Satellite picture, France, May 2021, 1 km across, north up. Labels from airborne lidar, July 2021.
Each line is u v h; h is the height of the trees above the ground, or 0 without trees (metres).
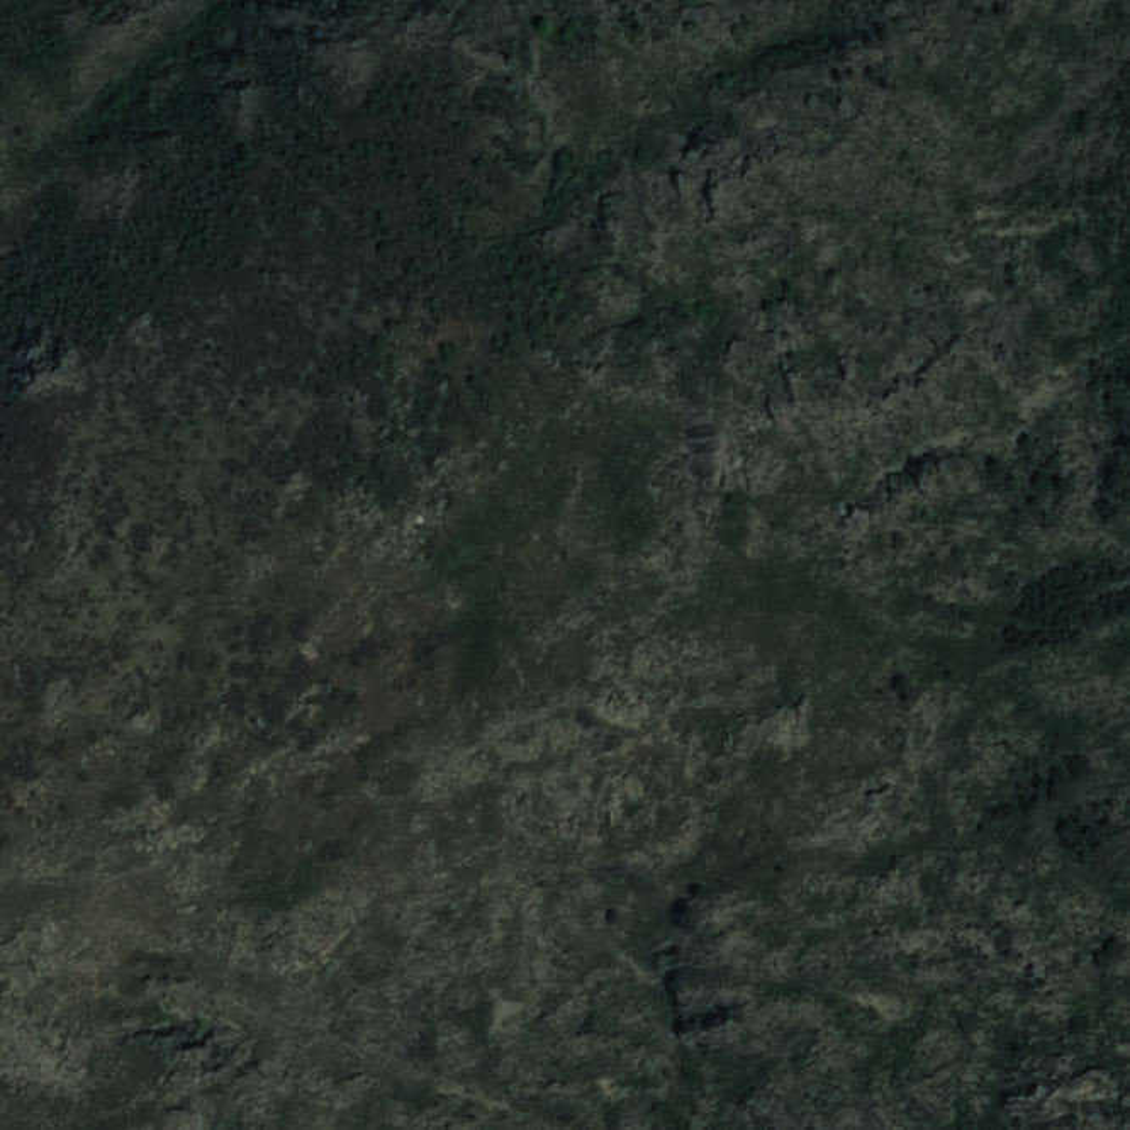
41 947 0
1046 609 21
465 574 0
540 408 0
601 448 0
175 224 9
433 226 12
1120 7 7
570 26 11
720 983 0
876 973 6
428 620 0
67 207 6
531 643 0
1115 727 6
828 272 6
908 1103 12
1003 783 0
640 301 9
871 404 9
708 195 18
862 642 0
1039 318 6
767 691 0
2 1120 0
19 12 9
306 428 7
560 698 0
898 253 8
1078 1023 8
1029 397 0
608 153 9
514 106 6
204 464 0
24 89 0
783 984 8
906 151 7
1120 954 21
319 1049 0
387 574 0
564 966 11
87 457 0
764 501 0
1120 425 8
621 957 0
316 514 0
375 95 12
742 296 11
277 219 9
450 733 0
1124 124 8
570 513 0
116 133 8
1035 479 12
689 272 0
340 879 0
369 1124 0
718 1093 6
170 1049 8
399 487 0
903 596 0
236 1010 0
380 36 0
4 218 8
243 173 7
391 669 0
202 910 0
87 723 0
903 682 18
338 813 0
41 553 0
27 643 0
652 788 0
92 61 0
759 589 0
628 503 0
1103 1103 11
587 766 0
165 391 0
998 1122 7
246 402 10
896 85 6
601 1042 10
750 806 0
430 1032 0
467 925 0
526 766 0
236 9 12
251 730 0
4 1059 0
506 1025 0
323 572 0
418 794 0
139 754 0
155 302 10
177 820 0
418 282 7
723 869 0
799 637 0
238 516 0
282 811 0
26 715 0
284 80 8
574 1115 7
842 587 0
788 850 0
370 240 8
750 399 0
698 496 0
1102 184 6
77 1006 0
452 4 9
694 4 7
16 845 0
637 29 14
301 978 0
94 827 0
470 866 0
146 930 0
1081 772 18
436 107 10
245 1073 5
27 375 7
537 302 6
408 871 0
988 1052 6
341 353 9
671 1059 10
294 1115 0
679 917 17
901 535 13
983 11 14
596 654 0
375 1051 0
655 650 0
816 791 0
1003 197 7
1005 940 8
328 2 7
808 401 0
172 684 0
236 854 0
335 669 0
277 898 0
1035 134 0
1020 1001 6
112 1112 0
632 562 0
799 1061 20
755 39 9
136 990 0
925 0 8
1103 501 14
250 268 6
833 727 0
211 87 7
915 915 0
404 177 11
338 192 9
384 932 0
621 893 0
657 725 0
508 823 0
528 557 0
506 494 0
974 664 0
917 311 15
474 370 9
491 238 7
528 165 10
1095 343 7
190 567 0
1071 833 21
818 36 9
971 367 6
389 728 0
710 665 0
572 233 0
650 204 0
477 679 0
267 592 0
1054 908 9
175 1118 0
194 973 0
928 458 9
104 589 0
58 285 8
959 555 7
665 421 0
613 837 0
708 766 0
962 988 5
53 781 0
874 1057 7
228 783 0
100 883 0
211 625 0
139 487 0
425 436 7
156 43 6
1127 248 14
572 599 0
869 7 6
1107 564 10
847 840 0
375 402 9
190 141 6
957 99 0
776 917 0
